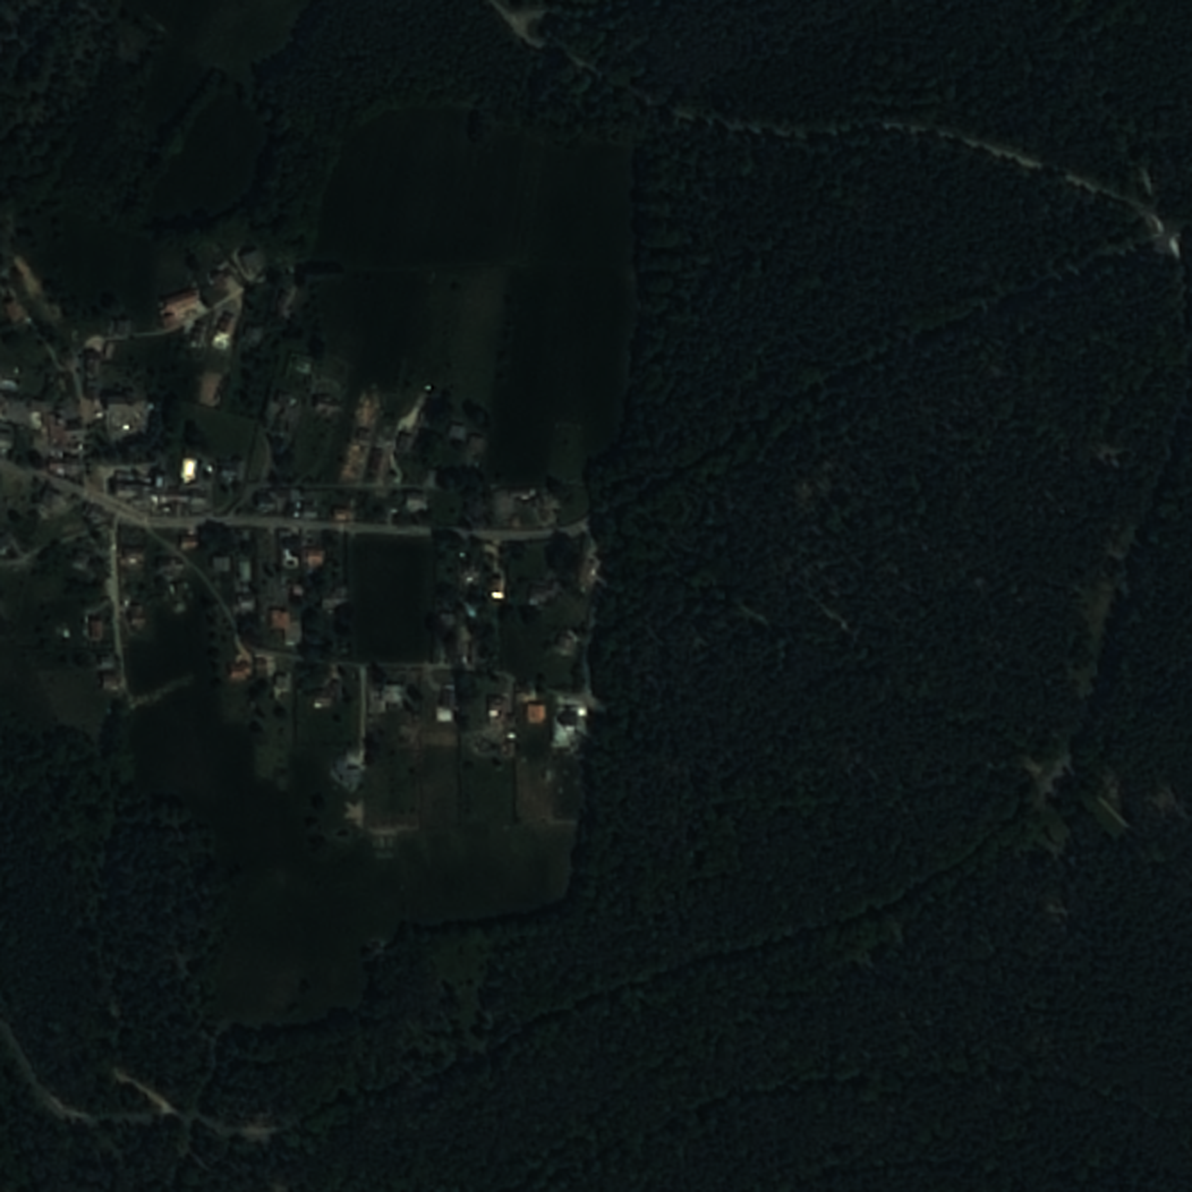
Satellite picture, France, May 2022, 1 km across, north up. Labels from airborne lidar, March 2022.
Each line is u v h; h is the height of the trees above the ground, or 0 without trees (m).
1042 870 24
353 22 21
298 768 0
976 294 19
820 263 17
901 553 28
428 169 0
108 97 15
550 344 0
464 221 0
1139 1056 25
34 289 0
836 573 31
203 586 0
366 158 0
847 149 17
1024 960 29
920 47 19
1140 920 27
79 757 7
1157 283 29
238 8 0
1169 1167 26
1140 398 27
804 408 22
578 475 0
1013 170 18
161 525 0
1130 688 27
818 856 24
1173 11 20
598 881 21
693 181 18
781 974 21
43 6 10
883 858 25
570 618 0
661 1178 28
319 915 0
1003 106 33
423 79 21
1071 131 16
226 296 0
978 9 20
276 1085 17
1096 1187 29
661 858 23
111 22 14
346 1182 24
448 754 0
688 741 27
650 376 21
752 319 24
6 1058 13
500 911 0
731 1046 26
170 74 0
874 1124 31
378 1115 28
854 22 18
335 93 20
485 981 0
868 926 23
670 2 29
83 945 17
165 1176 12
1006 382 26
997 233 18
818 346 26
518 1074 23
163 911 16
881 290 21
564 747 0
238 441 0
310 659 14
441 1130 26
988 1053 28
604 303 0
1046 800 0
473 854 0
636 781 22
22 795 15
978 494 27
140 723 0
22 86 11
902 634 27
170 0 0
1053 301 24
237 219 7
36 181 22
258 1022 0
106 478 0
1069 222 23
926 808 23
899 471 30
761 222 16
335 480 0
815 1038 27
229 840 0
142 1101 17
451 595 15
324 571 8
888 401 31
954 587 26
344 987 0
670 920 20
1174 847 27
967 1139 25
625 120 30
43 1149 9
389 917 0
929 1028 27
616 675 19
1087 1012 30
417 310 0
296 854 0
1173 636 28
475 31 21
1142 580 26
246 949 0
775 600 28
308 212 21
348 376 0
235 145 0
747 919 24
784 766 27
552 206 0
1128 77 22
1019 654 28
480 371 0
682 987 24
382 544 0
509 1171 22
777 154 13
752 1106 31
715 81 17
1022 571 23
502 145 0
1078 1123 33
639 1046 21
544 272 0
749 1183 26
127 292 0
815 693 31
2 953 22
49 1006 17
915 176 15
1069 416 27
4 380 0
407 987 26
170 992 19
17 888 22
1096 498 31
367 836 0
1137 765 26
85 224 0
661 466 29
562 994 19
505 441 0
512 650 0
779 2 31
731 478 29
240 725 0
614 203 0
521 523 0
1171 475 24
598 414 0
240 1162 16
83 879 12
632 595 19
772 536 29
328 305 0
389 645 0
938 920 26
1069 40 21
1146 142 13
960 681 26
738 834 20
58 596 0
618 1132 23
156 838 20
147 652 0
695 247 19
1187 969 30
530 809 0
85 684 0
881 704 26
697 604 23
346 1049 24
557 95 20
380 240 0
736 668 26
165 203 0
